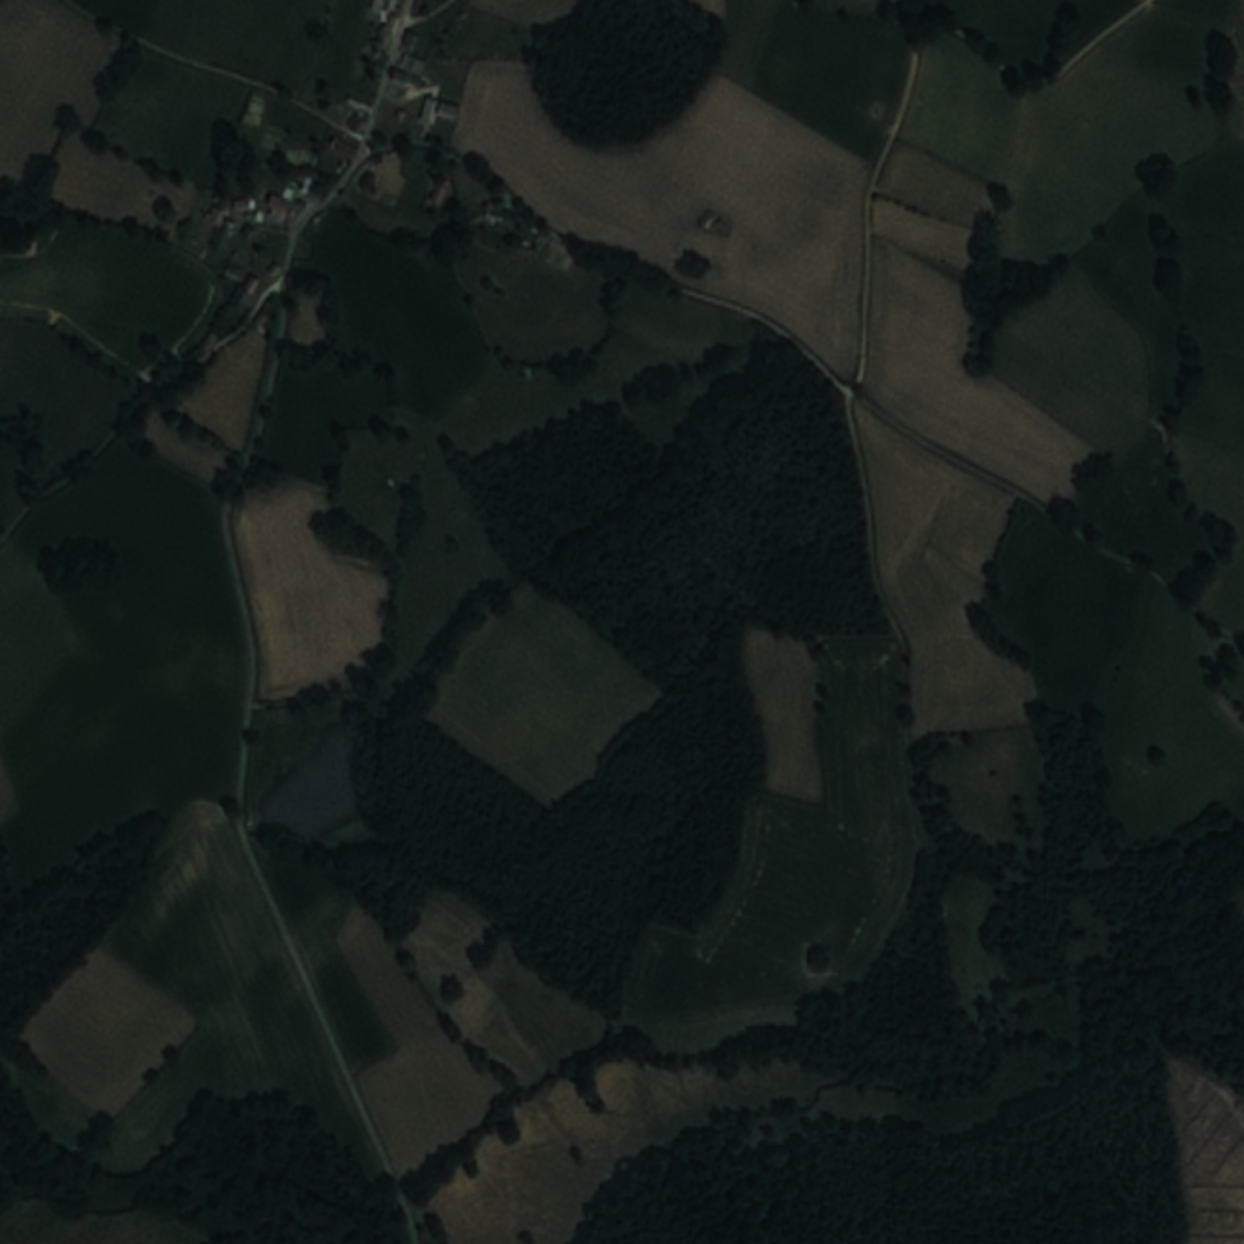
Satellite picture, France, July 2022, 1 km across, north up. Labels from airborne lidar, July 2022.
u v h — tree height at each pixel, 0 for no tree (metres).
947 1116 0
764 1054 23
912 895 7
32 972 17
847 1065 23
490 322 0
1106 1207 7
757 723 9
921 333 0
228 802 13
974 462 0
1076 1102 25
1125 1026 20
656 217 0
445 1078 0
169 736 0
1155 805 0
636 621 12
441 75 0
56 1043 0
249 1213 11
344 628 0
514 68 0
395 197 0
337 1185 7
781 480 11
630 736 11
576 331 0
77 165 0
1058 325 0
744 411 11
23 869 0
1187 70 0
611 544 15
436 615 0
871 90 0
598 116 22
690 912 17
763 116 0
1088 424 0
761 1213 21
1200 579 20
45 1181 8
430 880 22
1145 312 0
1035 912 16
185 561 0
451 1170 20
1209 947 17
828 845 0
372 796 18
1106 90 0
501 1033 0
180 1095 0
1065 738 16
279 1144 28
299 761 0
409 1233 0
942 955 9
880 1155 19
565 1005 0
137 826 16
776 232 0
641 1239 16
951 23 22
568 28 18
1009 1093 0
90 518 0
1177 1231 35
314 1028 0
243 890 0
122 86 18
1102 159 0
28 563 0
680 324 0
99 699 0
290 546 0
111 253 0
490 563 0
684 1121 0
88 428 0
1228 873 27
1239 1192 0
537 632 0
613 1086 0
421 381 0
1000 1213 9
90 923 20
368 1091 0
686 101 20
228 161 28
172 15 0
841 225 0
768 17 0
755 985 0
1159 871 15
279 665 0
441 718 0
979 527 0
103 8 0
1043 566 0
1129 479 0
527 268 0
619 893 15
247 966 0
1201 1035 16
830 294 0
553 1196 0
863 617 9
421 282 0
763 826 0
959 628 0
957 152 0
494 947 14
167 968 0
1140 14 0
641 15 23
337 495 8
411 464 0
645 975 0
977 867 10
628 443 15
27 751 0
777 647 0
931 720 0
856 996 14
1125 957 17
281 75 0
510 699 0
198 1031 0
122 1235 0
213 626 0
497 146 0
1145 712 0
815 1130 22
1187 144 0
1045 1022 0
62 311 0
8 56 0
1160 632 0
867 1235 21
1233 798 0
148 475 0
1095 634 0
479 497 14
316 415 0
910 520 0
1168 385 0
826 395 10
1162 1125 27
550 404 0
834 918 0
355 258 0
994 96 0
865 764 0
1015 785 0
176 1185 5
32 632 0
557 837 16
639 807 14
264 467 16
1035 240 0
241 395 0
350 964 0
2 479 0
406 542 9
